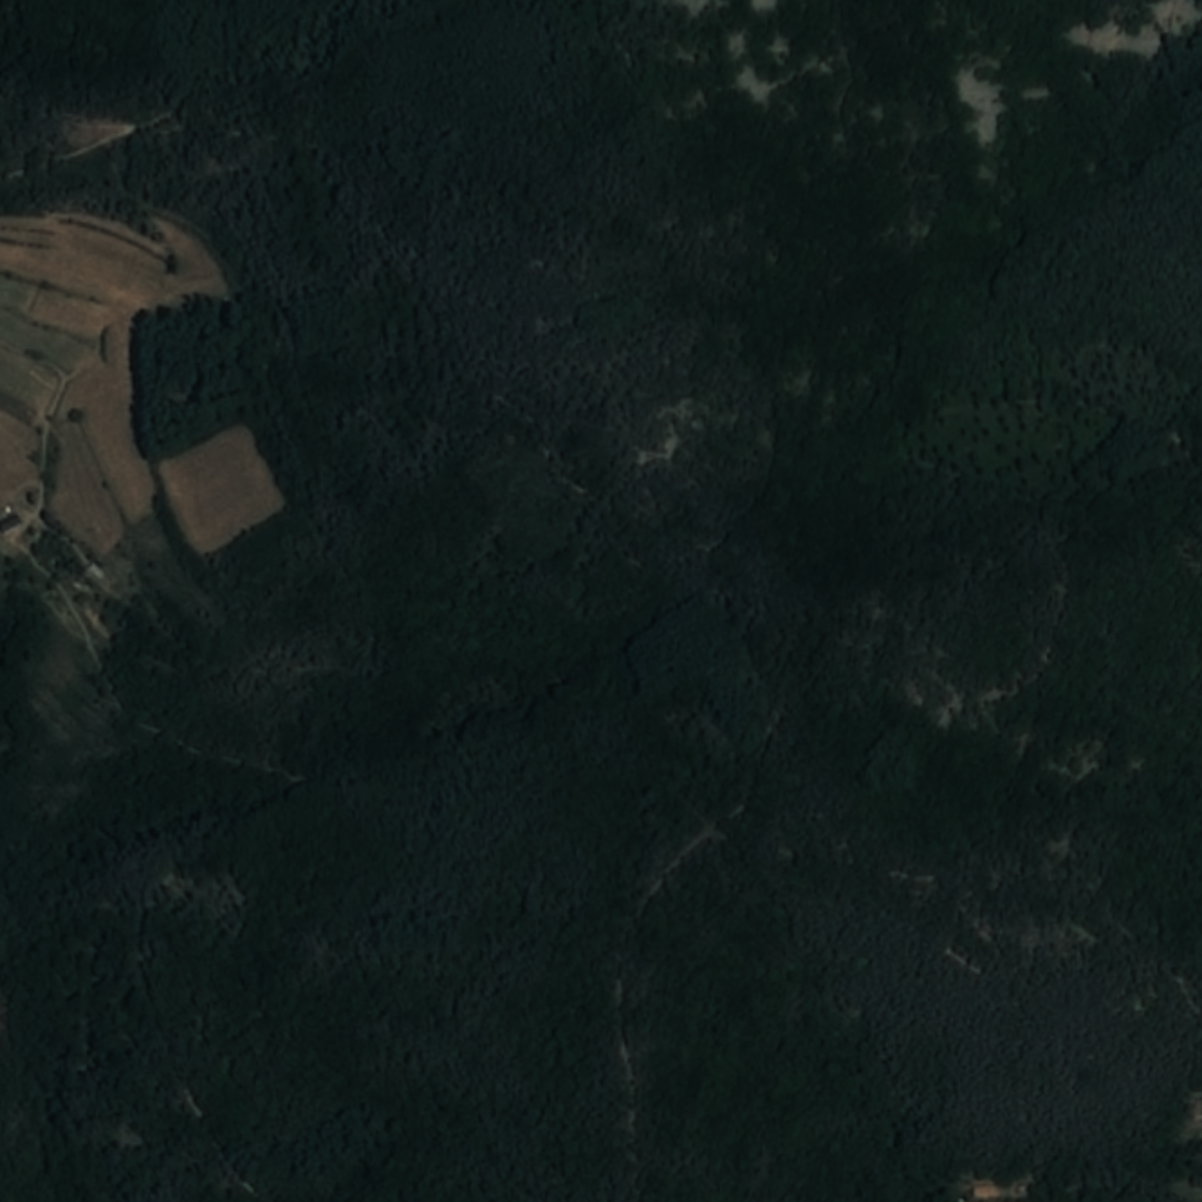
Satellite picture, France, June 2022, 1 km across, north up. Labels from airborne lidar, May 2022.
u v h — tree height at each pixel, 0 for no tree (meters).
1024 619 12
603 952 11
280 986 12
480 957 10
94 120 13
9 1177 13
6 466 0
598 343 16
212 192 18
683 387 13
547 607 13
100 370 0
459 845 21
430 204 12
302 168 15
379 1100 16
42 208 12
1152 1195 15
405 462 17
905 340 16
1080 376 16
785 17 8
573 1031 10
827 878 12
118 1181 8
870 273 11
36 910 21
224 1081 13
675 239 12
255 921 13
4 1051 17
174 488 0
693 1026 8
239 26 25
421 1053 16
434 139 16
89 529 0
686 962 11
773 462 8
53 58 19
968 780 19
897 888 9
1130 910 10
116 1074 17
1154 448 21
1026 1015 13
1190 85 30
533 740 19
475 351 13
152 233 14
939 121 8
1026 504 12
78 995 14
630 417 10
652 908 10
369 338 6
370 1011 15
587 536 19
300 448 10
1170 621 14
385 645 15
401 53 12
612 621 14
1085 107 19
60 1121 21
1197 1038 10
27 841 6
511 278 15
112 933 10
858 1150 19
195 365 30
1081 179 13
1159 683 16
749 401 11
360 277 20
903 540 15
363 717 19
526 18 11
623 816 12
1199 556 15
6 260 0
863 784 28
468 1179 15
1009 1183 10
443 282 13
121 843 21
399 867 16
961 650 11
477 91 13
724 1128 11
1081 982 14
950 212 10
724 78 13
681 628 28
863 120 6
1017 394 9
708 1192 11
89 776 8
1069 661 12
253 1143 12
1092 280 17
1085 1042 14
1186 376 11
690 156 10
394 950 28
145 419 32
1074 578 9
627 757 17
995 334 16
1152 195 17
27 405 0
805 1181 15
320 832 15
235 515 0
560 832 15
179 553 7
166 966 13
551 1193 12
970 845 7
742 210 17
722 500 9
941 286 20
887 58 12
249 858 15
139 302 0
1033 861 14
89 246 0
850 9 11
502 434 16
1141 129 24
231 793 20
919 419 15
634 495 11
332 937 13
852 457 19
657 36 7
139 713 10
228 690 12
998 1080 18
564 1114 10
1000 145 9
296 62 16
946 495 14
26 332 0
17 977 25
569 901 10
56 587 10
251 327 21
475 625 11
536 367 14
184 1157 9
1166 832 14
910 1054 12
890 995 15
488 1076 17
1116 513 13
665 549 16
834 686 8
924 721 10
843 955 15
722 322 10
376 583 17
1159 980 10
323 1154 24
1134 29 8
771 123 8
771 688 11
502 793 20
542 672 13
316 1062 13
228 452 0
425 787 18
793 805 16
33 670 0
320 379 15
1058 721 13
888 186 11
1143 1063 13
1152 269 15
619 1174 14
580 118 16
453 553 17
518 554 8
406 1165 14
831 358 12
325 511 17
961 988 15
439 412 14
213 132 7
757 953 13
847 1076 21
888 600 8
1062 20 13
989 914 10
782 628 15
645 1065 5
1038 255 19
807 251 11
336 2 17
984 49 7
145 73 17
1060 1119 12
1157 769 12
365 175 15
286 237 13
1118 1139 16
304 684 6
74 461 0
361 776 21
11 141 9
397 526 18
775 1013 11
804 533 21
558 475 6
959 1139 14
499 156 17
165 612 8
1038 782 16
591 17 8
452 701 6
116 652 12
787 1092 17
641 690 29
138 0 19
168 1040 13
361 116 15
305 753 16
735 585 19
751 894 14
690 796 11
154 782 17
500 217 9
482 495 17
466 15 16
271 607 12
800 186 13
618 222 10
